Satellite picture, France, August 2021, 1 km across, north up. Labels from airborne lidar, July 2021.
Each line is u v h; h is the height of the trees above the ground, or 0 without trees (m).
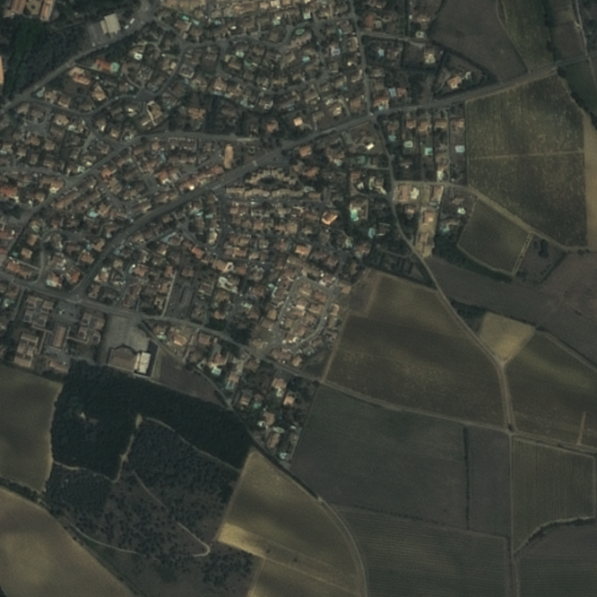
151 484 7
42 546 0
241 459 14
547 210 0
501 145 0
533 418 0
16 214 18
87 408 8
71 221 0
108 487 8
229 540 0
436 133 9
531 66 0
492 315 0
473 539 0
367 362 0
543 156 0
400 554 0
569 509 0
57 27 13
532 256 0
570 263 0
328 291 0
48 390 0
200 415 13
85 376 10
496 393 0
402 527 0
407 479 0
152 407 12
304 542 0
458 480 0
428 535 0
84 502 9
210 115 9
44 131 0
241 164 8
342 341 0
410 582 0
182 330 0
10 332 7
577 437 0
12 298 0
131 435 7
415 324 0
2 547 0
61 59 15
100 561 0
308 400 9
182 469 10
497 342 0
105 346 0
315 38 6
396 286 0
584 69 0
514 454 0
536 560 0
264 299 8
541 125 0
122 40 8
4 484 8
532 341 0
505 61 0
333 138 0
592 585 0
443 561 0
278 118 8
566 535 0
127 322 0
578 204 0
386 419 0
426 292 0
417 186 0
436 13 7
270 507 0
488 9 0
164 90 0
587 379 0
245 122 11
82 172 0
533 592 0
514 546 0
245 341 6
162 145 0
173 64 0
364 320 0
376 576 0
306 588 0
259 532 0
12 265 0
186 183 0
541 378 0
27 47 18
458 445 0
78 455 9
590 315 0
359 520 0
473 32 0
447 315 0
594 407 0
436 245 14
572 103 0
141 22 0
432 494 0
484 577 0
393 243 7
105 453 10
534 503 0
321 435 0
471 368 0
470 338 0
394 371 0
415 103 6
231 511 0
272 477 0
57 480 8
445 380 0
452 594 0
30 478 0
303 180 9
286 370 0
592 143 0
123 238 0
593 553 0
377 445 0
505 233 0
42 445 0
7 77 14
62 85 7
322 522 0
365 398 0
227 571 6
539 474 0
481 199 0
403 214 7
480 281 0
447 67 8
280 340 0
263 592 0
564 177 0
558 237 0
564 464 0
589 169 0
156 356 0
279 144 8
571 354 0
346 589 0
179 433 10
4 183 7
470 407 0
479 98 0
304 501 0
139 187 0
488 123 0
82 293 0
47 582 0
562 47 0
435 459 0
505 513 0
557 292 0
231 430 13
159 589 0
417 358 0
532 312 0
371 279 0
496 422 0
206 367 6
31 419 0
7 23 14
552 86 0
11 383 0
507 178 0
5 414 0
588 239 0
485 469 0
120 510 11
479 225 0
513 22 0
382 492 0
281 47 0
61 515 11
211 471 10
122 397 12
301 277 0
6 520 0
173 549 10
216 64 0
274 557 0
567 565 0
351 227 9
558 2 0
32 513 0
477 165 0
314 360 0
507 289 0
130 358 0
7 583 0
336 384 0
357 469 0
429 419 0
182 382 0
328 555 0
